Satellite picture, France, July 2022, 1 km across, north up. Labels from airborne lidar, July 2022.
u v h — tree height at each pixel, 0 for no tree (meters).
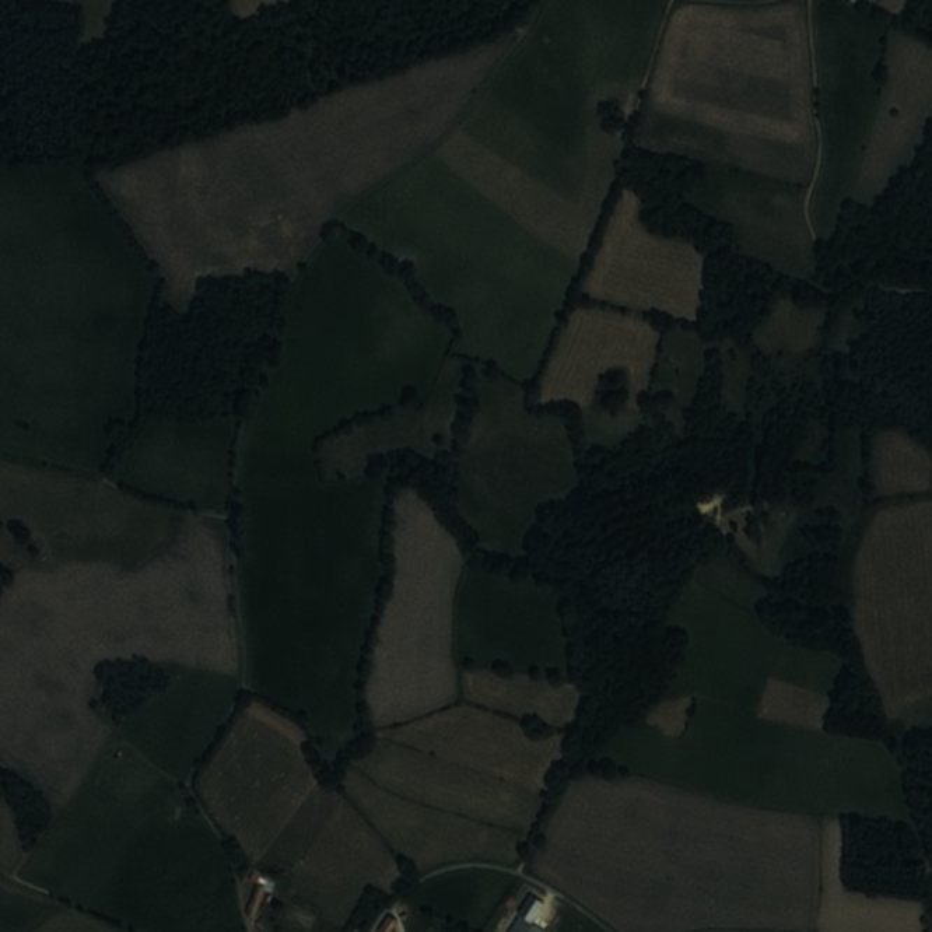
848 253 22
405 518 0
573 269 0
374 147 0
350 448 0
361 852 0
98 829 0
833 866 0
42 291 0
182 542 0
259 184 0
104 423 0
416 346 0
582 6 0
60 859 0
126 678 11
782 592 8
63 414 0
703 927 0
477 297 0
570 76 0
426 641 0
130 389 0
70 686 0
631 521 14
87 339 0
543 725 18
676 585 14
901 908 0
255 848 0
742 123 0
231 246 0
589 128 0
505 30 16
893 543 0
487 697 0
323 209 0
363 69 19
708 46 0
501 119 0
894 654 0
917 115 0
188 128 21
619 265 0
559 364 0
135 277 0
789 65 0
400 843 0
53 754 0
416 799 0
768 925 0
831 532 22
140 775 0
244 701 15
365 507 0
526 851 17
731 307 23
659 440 11
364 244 19
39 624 0
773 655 0
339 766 14
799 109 0
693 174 21
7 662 0
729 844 0
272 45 8
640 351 0
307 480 0
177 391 20
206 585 0
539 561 25
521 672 0
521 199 0
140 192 0
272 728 0
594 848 0
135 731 0
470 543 20
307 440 0
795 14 0
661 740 0
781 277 13
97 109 14
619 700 22
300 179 0
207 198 0
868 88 0
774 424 18
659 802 0
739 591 0
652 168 21
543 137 0
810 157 0
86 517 0
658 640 21
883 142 0
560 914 0
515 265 0
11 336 0
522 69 0
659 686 25
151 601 0
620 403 12
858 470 0
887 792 0
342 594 0
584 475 20
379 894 6
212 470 0
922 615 0
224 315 21
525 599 0
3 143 19
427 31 14
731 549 21
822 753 0
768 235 0
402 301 0
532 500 0
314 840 0
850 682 23
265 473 0
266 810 0
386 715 0
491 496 0
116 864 0
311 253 0
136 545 0
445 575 0
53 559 0
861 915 0
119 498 0
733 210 0
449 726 0
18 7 13
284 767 0
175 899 0
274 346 20
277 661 0
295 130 0
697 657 0
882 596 0
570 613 22
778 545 0
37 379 0
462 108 0
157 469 0
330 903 0
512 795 0
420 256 0
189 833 0
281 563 0
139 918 0
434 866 0
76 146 18
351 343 0
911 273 17
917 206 14
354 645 0
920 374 14
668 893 0
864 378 15
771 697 0
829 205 0
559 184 0
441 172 0
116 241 0
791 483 15
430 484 26
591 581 20
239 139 0
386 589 16
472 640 0
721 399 10
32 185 0
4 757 0
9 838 0
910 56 0
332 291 0
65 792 0
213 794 0
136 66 13
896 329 12
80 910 12
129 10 21
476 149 0
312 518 0
